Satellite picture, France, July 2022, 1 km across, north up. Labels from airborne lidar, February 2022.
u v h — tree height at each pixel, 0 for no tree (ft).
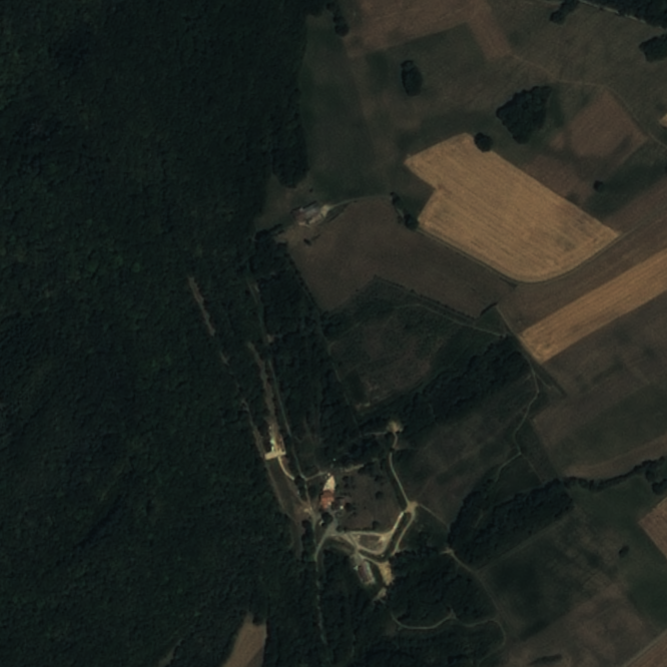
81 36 51
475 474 0
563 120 0
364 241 0
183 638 19
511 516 54
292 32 70
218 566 27
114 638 58
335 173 0
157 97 74
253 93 58
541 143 0
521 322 0
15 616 44
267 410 25
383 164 0
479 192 0
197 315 58
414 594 58
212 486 50
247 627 0
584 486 43
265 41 61
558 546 0
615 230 0
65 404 33
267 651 37
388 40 0
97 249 59
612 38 0
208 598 43
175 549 62
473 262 0
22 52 47
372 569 0
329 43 0
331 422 52
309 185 0
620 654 0
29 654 43
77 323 31
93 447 60
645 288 0
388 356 0
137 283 65
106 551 50
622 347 0
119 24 68
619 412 0
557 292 0
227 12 85
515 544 0
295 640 52
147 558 51
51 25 56
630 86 0
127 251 68
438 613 21
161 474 56
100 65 70
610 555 0
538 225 0
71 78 61
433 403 24
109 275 56
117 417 57
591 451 0
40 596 54
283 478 0
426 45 0
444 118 0
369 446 50
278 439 0
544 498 63
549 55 0
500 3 0
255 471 49
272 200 0
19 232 56
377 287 0
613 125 0
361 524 0
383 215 0
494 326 0
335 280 0
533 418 0
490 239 0
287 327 63
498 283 0
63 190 58
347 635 49
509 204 0
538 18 0
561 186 0
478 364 44
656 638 0
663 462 24
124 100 57
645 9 22
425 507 0
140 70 65
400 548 0
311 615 73
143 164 41
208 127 77
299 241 0
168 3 69
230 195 64
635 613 0
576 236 0
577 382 0
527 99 59
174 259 68
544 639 0
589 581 0
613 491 0
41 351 21
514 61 0
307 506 0
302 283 23
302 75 0
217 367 58
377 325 0
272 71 67
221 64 78
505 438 0
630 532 0
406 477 0
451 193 0
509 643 0
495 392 24
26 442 34
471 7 0
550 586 0
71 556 42
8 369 32
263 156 56
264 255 60
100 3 61
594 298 0
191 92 70
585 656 0
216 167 72
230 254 71
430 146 0
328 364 35
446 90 0
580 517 0
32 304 41
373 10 0
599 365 0
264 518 62
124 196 65
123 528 66
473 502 56
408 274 0
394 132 0
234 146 65
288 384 50
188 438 60
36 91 64
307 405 58
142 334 55
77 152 52
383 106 0
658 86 0
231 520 49
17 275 44
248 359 58
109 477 59
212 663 26
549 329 0
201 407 68
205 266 65
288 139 58
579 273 0
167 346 80
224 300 60
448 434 0
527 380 0
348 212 0
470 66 0
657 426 0
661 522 0
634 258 0
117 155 70
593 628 0
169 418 58
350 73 0
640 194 0
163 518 55
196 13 56
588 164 0
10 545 42
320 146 0
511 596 0
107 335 69
